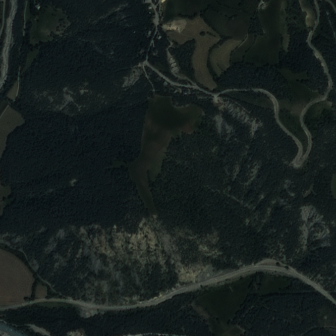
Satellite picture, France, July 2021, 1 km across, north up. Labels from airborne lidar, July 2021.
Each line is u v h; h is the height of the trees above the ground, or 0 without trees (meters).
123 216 6
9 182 8
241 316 10
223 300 0
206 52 0
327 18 12
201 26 0
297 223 6
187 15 8
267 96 10
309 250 7
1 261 0
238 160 7
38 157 11
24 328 7
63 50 7
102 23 8
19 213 13
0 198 0
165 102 0
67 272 8
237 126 11
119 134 15
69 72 9
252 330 9
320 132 8
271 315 13
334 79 9
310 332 10
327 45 11
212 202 7
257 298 15
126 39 6
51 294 7
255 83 15
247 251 10
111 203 12
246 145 7
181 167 9
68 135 7
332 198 11
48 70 8
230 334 0
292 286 14
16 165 7
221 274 0
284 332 12
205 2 0
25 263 9
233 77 13
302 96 0
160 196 8
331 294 8
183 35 0
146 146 0
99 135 16
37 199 9
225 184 7
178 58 9
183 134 8
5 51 0
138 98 7
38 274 7
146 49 11
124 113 6
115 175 14
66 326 14
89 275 7
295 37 7
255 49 0
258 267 0
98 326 11
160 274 8
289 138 10
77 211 15
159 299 0
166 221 8
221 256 8
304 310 13
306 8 0
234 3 0
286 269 11
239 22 0
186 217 9
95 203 14
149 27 10
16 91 0
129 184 9
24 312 13
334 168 11
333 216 8
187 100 9
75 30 8
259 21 12
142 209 9
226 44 0
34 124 14
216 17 0
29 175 8
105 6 10
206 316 0
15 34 8
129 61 6
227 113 6
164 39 11
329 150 8
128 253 6
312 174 8
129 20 6
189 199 15
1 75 0
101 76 8
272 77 16
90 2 9
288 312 14
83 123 11
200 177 7
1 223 14
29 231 6
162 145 0
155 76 7
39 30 0
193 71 8
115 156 14
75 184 6
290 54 15
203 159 8
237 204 8
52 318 13
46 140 10
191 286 0
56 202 14
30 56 0
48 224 9
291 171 6
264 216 6
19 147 13
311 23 0
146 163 0
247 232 8
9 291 0
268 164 9
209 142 8
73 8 8
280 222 8
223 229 14
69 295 9
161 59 11
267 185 7
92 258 0
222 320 0
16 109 13
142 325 9
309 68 11
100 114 8
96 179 13
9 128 0
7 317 9
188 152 8
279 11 0
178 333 7
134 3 10
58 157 11
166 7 0
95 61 18
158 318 13
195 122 0
